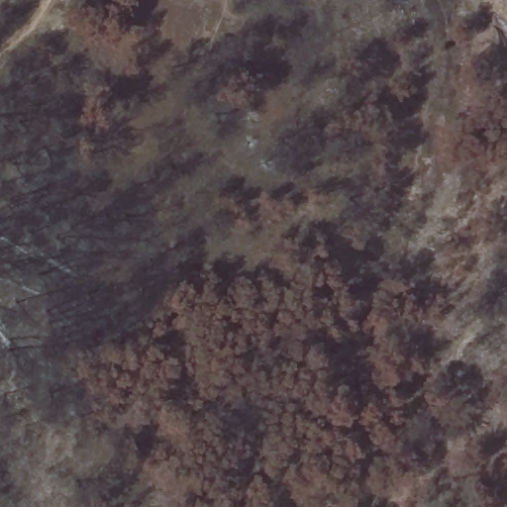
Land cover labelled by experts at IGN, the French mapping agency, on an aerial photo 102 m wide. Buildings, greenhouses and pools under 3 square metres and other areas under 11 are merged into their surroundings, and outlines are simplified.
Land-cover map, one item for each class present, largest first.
<instances>
[{"label":"coniferous trees","instance_id":"1","mask_svg":"<svg viewBox=\"0 0 507 507\"><path fill-rule=\"evenodd\" d=\"M465 16H459L457 12L452 16V26L446 28L448 38L456 46L452 50L442 48L432 51L430 57H426L428 69L434 71V79L428 83V97L422 109L414 115L406 111L398 121L396 117H392L388 105H380L378 109L360 107L358 111L343 109L339 115H329L325 107L337 101L339 93H343L339 79L335 77L323 79L313 87H303L289 75L285 83L265 93V105L255 113L250 107L226 109L218 101L216 93L222 87H226L224 79H218L210 87H202L198 83L196 73L176 69L172 65L166 81L174 83L176 89L166 91L160 101H151L149 83L152 75L141 81L139 75H117L111 69H97L87 55L75 53L67 48V32L63 30L32 34L10 53V61L6 65H0V507H507V83L501 85V79H495L487 83H477L475 65L471 63L477 55L471 48L473 34L463 32Z\"/></svg>","mask_w":507,"mask_h":507},{"label":"bare soil","instance_id":"2","mask_svg":"<svg viewBox=\"0 0 507 507\"><path fill-rule=\"evenodd\" d=\"M42 0H0V48L14 32L22 30L30 22L32 14L38 10ZM55 10L63 14V30L67 32V48L75 53L87 55L97 69H111L117 75H139L141 81L152 75L149 83L151 101H160L166 91L176 89L174 83L166 81L172 65L176 69L196 73L198 83L202 87H210L218 79H224L226 87H222L216 93L218 101L226 109L250 107L255 113L265 105V93L285 83L289 75L303 87H313L323 79L335 77L339 79L343 93H339L337 101L325 107L329 115H339L343 109L358 111L360 107L378 109L380 105H388L392 117H396L398 121L406 111L414 115L422 109L428 97V83L434 79V71L428 69L426 57H430L432 51L442 48L452 50L456 46L448 38L446 28L452 26V16L457 12L459 16H465L463 32L473 34L471 48L477 55L471 63L475 65L477 83H487L495 79H501V85L507 83V0H71L51 4Z\"/></svg>","mask_w":507,"mask_h":507},{"label":"pervious surface","instance_id":"3","mask_svg":"<svg viewBox=\"0 0 507 507\"><path fill-rule=\"evenodd\" d=\"M71 0H42L38 10L32 14L30 22L22 30L14 32L0 48V65H6L10 61V53L32 34L63 30V14L55 10L51 4Z\"/></svg>","mask_w":507,"mask_h":507}]
</instances>
